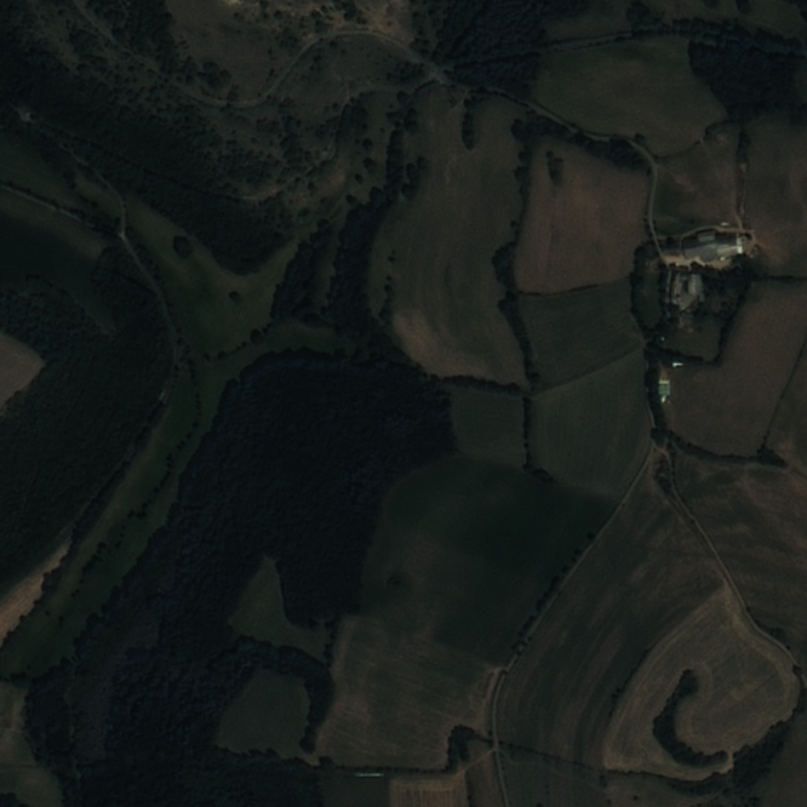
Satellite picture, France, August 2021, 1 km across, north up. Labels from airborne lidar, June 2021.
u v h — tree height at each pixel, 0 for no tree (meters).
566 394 0
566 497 0
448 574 0
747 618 0
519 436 0
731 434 0
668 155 0
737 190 0
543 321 0
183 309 0
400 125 11
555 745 0
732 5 0
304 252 16
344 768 5
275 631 0
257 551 14
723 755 10
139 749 16
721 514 0
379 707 0
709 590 0
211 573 12
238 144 10
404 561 0
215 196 15
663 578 0
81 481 12
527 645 8
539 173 0
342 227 0
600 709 0
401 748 0
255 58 0
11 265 0
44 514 10
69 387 12
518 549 0
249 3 0
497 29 16
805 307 0
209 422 0
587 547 0
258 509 13
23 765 0
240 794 7
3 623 0
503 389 7
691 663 0
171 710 7
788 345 0
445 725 0
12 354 0
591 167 0
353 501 15
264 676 0
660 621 0
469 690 0
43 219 0
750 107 20
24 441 10
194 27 0
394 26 0
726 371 0
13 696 0
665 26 6
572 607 0
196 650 14
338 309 15
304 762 11
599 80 0
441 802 0
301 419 22
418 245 0
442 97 0
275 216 7
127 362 6
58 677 19
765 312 0
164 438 0
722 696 0
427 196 0
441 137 0
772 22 0
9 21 19
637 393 0
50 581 18
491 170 0
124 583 0
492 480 0
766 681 0
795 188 0
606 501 0
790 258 0
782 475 0
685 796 0
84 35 10
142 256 9
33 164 0
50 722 18
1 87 8
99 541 0
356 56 0
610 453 0
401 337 0
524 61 18
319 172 11
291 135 7
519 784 0
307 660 16
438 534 0
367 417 16
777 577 0
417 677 0
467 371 0
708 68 16
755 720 0
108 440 6
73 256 0
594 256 0
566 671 0
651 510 0
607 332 0
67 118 15
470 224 0
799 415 0
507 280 13
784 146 0
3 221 0
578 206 0
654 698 0
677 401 0
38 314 10
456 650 0
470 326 0
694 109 0
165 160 13
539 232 0
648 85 0
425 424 18
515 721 0
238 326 0
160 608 12
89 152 14
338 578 13
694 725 0
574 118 0
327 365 21
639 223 0
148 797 11
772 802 0
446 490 0
